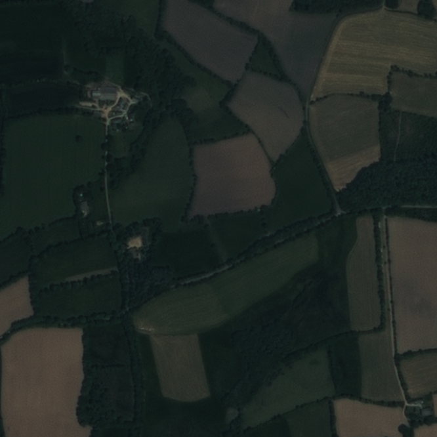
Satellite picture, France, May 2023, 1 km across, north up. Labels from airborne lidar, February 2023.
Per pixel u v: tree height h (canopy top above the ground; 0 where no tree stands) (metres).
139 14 0
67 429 0
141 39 10
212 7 6
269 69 0
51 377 0
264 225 13
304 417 0
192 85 11
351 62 0
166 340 0
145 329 0
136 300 15
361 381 0
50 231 0
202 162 0
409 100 0
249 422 0
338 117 0
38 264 15
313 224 16
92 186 13
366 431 0
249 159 0
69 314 0
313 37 0
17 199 0
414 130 0
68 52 0
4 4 14
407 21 0
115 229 14
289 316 0
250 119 0
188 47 0
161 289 14
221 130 0
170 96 8
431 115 0
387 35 0
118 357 0
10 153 0
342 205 14
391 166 18
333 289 0
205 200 0
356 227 0
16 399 0
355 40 0
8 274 0
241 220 0
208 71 8
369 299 0
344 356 0
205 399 0
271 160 0
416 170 26
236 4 0
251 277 0
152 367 0
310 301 0
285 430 0
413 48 0
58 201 0
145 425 0
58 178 0
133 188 0
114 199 0
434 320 0
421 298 0
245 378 9
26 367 0
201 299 0
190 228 0
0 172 8
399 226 0
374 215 12
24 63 0
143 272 13
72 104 0
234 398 12
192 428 0
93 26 15
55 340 0
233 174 0
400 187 24
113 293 0
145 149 7
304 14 0
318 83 0
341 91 0
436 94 0
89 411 13
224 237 0
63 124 0
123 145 0
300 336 0
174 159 0
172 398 0
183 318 0
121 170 10
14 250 0
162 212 0
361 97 11
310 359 0
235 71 0
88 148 0
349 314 0
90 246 0
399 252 0
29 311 0
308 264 0
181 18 0
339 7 23
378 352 0
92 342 0
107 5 0
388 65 0
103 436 0
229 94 8
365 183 24
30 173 0
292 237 9
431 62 0
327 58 0
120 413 0
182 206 0
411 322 0
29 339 0
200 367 0
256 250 21
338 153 0
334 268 0
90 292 0
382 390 0
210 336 0
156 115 15
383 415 0
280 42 0
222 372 0
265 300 0
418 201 25
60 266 0
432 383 0
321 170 8
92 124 0
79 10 11
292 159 0
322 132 0
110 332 0
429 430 0
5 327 0
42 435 0
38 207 0
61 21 0
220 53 0
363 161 0
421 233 0
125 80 0
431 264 0
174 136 0
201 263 0
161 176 0
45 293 13
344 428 0
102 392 6
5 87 8
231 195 0
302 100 7
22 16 0
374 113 0
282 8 0
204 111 0
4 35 0
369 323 0
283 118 0
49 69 0
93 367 11
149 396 0
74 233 0
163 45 0
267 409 0
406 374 0
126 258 21
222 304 0
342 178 0
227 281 0
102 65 0
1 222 0
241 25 10
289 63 0
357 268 0
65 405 0
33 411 0
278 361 9
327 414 0
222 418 0
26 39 0
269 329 12
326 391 0
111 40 0
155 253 15
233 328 0
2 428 0
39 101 0
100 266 0
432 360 0
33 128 0
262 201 0
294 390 0
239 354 0
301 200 0
